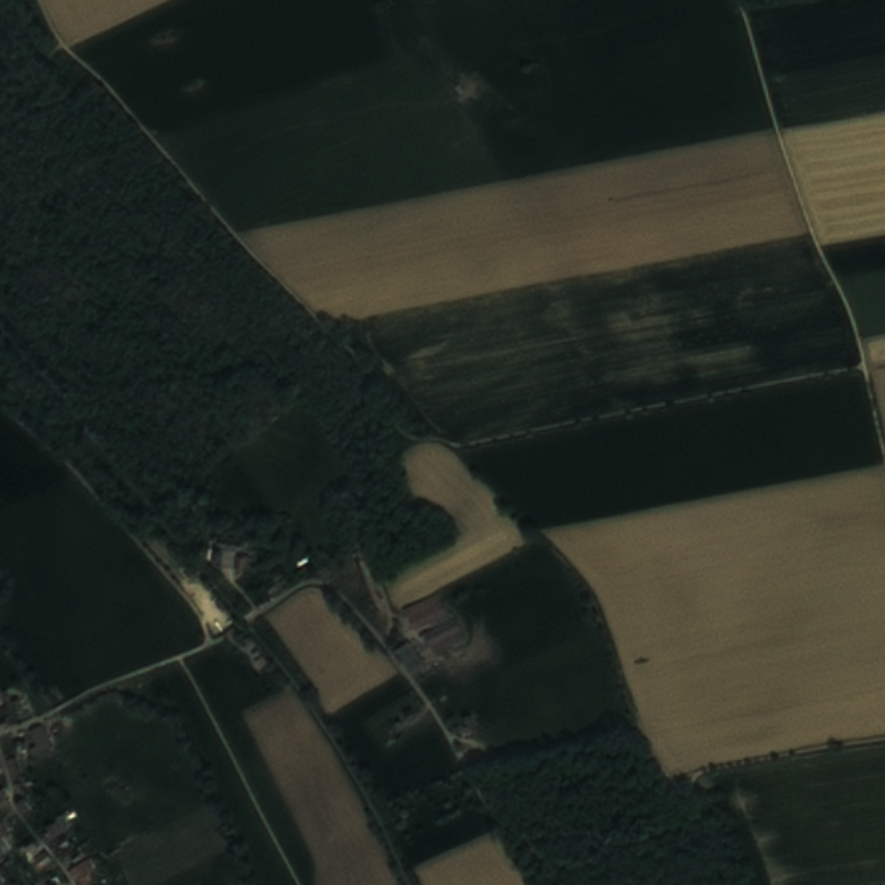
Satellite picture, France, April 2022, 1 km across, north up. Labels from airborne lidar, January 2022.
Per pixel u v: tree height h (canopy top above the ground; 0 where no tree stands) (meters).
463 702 0
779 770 0
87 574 0
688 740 0
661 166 0
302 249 0
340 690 0
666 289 0
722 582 0
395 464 22
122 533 0
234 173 0
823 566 0
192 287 21
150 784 0
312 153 0
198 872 0
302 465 0
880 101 0
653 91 0
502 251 0
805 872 0
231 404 29
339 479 0
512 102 0
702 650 0
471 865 0
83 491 0
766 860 0
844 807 0
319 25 0
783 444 0
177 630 0
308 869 0
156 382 22
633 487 0
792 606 0
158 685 0
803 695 0
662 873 27
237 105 0
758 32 0
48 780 0
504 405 0
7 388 29
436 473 0
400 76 0
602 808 25
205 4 0
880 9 0
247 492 0
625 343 0
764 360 0
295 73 0
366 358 16
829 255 0
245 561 0
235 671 0
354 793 0
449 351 0
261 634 0
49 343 21
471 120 0
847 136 0
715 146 0
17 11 30
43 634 0
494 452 0
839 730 0
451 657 0
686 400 0
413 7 0
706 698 0
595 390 0
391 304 0
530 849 24
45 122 19
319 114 0
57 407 28
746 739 0
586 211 0
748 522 0
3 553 0
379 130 0
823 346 0
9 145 24
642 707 0
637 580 0
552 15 0
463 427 0
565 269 0
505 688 0
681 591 0
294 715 0
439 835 0
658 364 0
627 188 0
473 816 0
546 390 0
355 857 0
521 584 0
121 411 18
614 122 0
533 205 0
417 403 0
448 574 0
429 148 0
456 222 0
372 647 17
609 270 0
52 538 0
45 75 26
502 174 0
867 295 0
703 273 0
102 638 0
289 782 0
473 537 0
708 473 0
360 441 19
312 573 12
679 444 0
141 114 0
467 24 0
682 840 25
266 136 0
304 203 0
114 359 18
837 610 0
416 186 0
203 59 0
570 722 0
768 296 0
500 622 0
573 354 0
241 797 0
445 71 0
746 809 0
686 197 0
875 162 0
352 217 0
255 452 0
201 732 0
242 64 0
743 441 0
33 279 24
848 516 0
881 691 0
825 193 0
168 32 0
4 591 15
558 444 0
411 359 0
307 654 0
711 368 0
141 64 0
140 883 0
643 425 0
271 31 0
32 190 24
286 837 0
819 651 0
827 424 0
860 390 0
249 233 0
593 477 0
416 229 0
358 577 0
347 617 17
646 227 0
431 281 0
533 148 0
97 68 0
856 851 0
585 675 0
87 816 0
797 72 0
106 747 0
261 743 0
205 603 0
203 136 0
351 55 0
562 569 0
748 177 0
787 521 0
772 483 0
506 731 0
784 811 0
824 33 0
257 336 17
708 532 0
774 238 0
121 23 0
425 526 24
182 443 14
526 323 0
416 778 0
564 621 0
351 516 15
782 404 0
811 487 0
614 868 25
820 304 0
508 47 0
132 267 22
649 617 0
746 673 0
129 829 0
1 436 0
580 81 0
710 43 0
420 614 0
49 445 22
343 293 0
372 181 0
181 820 0
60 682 0
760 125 0
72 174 24
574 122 0
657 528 0
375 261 0
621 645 0
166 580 0
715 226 0
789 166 0
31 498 0
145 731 0
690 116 0
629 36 0
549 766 26
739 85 0
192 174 0
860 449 0
